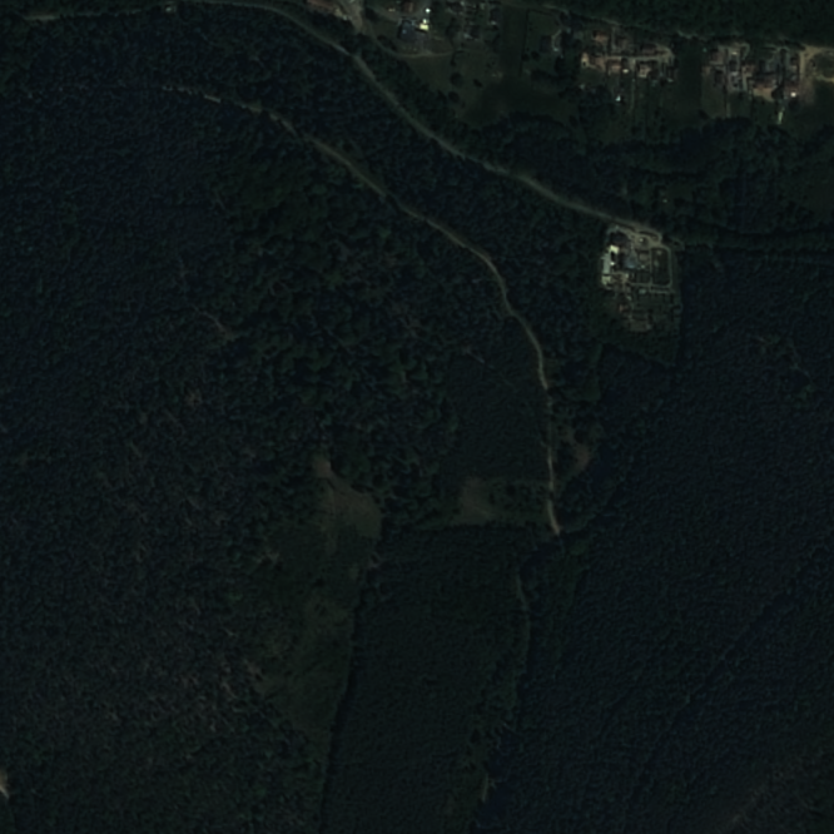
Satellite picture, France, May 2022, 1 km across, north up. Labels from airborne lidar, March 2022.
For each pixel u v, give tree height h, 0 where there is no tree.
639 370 27
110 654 26
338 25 14
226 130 32
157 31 7
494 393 16
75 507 24
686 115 0
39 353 24
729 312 27
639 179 22
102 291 23
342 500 0
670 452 22
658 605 20
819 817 25
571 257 13
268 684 0
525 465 20
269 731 34
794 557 21
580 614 22
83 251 22
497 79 0
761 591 21
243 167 32
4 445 26
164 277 23
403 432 33
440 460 15
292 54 31
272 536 6
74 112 23
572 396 20
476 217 34
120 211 22
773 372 26
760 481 23
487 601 18
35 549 25
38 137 25
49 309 22
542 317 28
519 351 17
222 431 27
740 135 24
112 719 27
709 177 25
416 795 23
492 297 32
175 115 27
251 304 27
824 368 21
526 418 17
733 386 22
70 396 20
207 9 14
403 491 22
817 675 20
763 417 23
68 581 28
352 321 30
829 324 22
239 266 36
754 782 17
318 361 22
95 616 29
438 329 13
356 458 38
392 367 33
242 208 33
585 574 25
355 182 32
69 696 23
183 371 25
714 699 24
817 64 0
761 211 28
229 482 22
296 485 30
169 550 25
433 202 32
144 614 27
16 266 26
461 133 22
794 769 17
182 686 26
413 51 0
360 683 24
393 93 23
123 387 24
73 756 24
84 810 27
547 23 0
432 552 21
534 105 0
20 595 26
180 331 27
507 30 0
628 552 24
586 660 22
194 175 25
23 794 25
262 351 38
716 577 22
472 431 17
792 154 19
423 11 0
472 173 24
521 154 33
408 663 26
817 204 0
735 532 22
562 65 11
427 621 26
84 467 25
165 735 18
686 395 24
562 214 6
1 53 37
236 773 27
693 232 20
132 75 31
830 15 20
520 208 30
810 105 0
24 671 26
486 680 22
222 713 29
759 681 23
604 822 21
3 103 28
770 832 18
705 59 0
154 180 22
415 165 33
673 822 17
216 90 13
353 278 9
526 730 30
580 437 16
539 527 17
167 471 27
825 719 21
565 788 20
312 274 35
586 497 22
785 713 21
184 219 28
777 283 22
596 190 24
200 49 26
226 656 31
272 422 37
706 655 23
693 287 28
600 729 14
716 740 25
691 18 13
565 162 32
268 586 9
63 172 21
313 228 34
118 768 24
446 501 21
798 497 23
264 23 14
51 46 31
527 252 31
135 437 28
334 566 6
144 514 25
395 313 37
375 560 16
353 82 31
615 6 17
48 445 19
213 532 26
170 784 24
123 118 28
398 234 33
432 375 26
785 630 30
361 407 31
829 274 26
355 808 20
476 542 13
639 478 24
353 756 23
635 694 20
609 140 0
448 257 11
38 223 22
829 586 23
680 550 24
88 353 26
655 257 0
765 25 6
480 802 0
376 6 0
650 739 28
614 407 28
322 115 36
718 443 20
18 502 25
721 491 23
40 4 30
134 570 26
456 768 20
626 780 20
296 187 32
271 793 22
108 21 19
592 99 16
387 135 35
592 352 24
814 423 26
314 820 16
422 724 25
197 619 25
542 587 14
